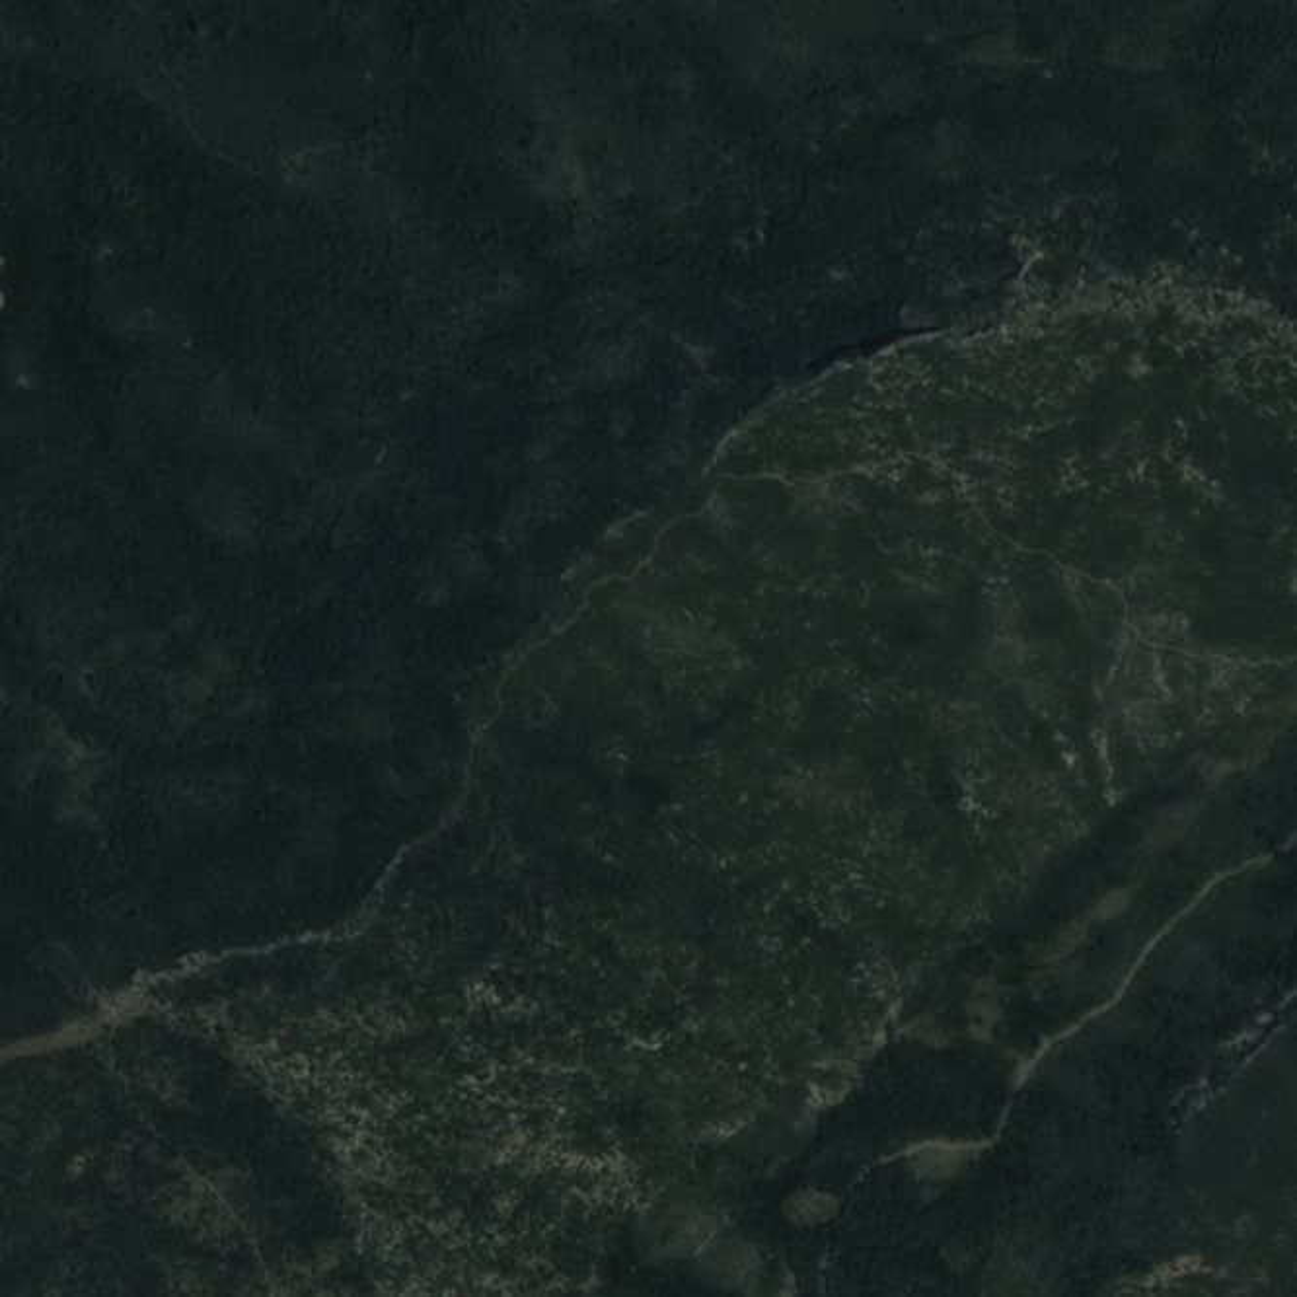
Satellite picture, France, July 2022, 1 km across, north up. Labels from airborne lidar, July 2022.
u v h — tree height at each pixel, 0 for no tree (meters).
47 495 6
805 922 6
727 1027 0
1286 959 6
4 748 6
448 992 6
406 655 5
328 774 5
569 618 0
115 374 7
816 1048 0
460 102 7
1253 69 7
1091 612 0
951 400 0
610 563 0
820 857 0
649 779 6
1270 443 0
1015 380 0
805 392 0
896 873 0
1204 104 8
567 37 7
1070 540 0
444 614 7
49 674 6
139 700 6
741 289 6
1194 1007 5
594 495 6
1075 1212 5
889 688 0
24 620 9
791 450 0
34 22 7
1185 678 0
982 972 0
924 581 0
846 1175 7
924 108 7
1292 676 0
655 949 0
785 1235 9
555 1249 7
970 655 0
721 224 8
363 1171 0
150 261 9
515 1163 0
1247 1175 0
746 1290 0
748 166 7
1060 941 0
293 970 6
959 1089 7
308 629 7
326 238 7
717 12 0
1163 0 6
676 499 0
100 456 7
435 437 6
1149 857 0
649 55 6
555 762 7
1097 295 0
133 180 5
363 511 6
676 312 6
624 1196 0
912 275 6
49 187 9
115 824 7
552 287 8
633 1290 6
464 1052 0
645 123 7
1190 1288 0
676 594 0
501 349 6
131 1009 0
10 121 6
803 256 6
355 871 6
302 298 6
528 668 0
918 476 0
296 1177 7
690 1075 0
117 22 6
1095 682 0
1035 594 0
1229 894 7
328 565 7
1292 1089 0
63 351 9
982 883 0
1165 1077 8
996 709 0
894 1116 6
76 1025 0
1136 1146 9
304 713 6
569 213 7
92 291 7
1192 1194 0
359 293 7
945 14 6
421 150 6
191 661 8
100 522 9
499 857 6
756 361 5
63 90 9
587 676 0
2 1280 5
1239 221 7
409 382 8
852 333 6
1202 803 0
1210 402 0
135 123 6
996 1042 0
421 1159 6
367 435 6
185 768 6
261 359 7
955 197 8
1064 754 0
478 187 6
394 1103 0
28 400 5
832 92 7
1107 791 0
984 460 0
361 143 10
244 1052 0
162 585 6
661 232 7
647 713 0
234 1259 6
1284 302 7
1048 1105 6
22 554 6
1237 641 0
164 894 5
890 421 0
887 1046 9
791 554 0
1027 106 6
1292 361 0
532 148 13
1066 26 6
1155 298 0
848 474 0
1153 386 0
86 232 9
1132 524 0
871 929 0
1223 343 0
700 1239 0
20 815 7
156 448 6
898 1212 7
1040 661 0
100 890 6
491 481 7
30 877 9
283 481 6
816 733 0
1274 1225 0
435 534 6
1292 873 6
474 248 12
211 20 6
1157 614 0
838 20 0
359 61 6
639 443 6
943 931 0
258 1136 5
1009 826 0
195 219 9
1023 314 0
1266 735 0
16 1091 7
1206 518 0
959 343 0
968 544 0
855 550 0
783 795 0
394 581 7
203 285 7
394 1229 0
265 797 6
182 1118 6
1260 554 0
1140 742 0
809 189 6
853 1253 7
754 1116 0
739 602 0
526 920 6
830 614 0
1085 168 6
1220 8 8
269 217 8
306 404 6
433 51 6
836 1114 8
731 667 0
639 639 0
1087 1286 7
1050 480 0
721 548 0
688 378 7
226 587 5
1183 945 0
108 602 6
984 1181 7
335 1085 0
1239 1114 0
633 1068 0
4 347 6
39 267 7
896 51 5
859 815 0
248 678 6
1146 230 7
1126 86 8
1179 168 7
